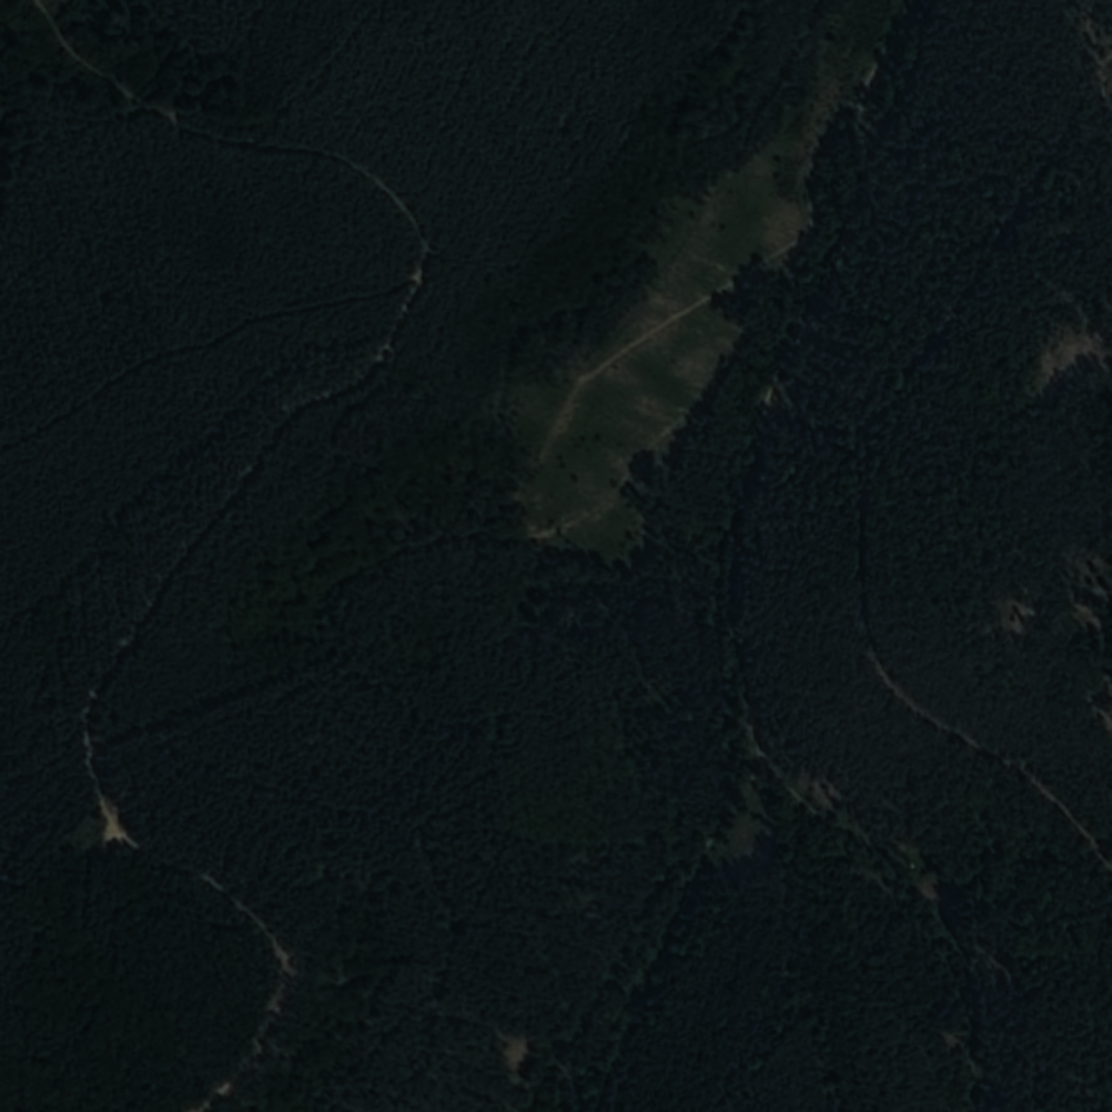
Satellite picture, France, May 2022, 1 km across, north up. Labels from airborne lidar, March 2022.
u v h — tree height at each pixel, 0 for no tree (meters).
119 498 15
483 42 13
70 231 20
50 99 18
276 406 21
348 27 16
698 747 31
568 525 0
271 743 31
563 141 12
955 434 29
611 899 28
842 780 27
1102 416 26
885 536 26
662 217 22
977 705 20
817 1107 10
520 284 10
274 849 28
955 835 29
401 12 12
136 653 17
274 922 13
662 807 24
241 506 16
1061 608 27
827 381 30
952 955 19
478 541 24
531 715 20
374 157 13
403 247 15
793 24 24
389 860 26
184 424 17
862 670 24
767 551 28
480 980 30
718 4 8
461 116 12
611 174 9
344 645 22
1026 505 27
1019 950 32
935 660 19
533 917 22
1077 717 19
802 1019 14
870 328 26
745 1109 11
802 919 12
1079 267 26
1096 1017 25
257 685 29
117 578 24
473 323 10
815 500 29
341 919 19
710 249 0
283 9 16
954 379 24
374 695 28
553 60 11
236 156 15
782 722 30
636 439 0
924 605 24
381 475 30
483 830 27
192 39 17
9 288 20
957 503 29
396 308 14
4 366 22
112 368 18
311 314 15
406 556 24
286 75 15
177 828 29
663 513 22
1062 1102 24
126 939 14
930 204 30
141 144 21
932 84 30
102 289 16
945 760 23
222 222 15
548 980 30
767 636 21
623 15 12
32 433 13
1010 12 28
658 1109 17
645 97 9
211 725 29
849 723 26
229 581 16
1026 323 23
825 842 21
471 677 21
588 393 0
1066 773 23
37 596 14
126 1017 16
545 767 22
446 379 10
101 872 23
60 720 24
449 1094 31
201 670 18
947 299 24
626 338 0
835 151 29
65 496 16
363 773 29
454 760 27
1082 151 25
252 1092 12
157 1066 15
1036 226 25
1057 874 26
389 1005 26
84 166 20
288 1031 15
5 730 20
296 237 18
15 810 20
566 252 10
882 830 29
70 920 21
